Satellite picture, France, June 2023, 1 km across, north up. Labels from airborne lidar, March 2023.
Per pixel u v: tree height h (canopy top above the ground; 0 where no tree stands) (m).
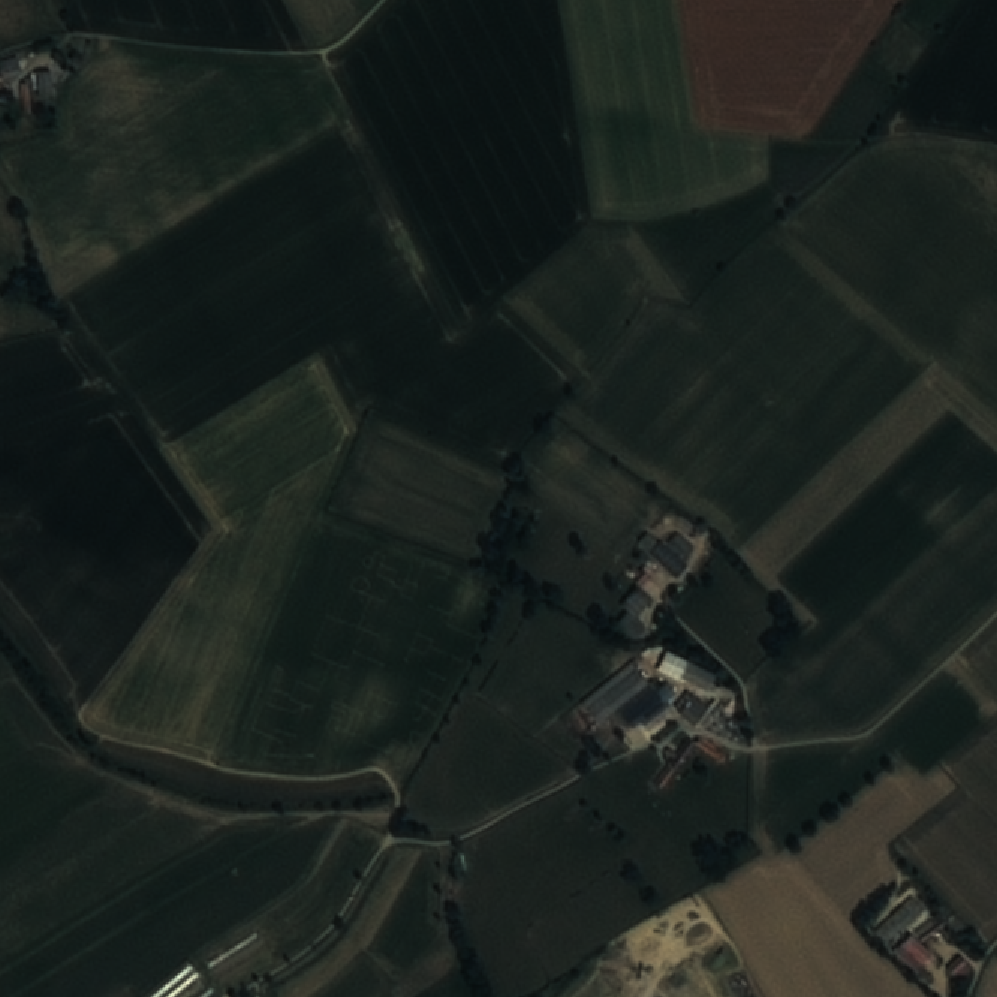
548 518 0
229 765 0
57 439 0
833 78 0
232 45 0
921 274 0
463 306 0
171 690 0
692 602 0
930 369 0
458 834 0
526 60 0
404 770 0
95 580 0
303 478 0
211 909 0
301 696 0
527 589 19
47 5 0
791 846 11
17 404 0
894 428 0
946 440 0
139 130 0
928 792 0
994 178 0
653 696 0
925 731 0
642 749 0
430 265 0
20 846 0
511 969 0
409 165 0
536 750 0
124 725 0
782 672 0
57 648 0
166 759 0
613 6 0
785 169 0
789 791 0
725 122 0
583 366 0
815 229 0
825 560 0
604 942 0
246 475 0
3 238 0
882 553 0
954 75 0
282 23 0
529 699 0
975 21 0
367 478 0
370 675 0
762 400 0
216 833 0
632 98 0
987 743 0
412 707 0
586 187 0
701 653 13
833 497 0
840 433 0
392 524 0
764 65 0
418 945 0
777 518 0
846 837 0
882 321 0
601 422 0
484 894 0
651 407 0
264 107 0
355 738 0
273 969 0
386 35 0
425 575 0
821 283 0
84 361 0
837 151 0
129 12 0
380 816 0
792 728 0
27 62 0
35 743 0
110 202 0
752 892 0
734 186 0
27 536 0
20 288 18
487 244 0
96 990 0
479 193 0
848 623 0
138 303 0
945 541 0
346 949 0
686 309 0
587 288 0
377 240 0
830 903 0
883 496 0
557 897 0
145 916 0
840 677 0
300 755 0
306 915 0
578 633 0
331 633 0
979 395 0
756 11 0
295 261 0
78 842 0
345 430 0
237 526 0
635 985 0
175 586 0
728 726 0
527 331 0
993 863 0
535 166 0
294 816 0
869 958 0
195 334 0
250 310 0
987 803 0
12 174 0
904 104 0
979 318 0
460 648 0
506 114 0
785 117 0
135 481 0
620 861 0
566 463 0
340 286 0
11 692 0
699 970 0
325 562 0
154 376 0
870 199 0
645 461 0
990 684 0
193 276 0
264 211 0
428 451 0
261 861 0
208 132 0
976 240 0
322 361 0
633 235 0
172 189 0
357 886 0
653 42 0
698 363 0
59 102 0
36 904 0
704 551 0
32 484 0
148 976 0
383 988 0
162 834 0
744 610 0
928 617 0
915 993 0
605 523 0
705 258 0
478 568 13
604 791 0
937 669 0
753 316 0
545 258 0
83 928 0
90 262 0
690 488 0
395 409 0
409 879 0
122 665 0
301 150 0
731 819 0
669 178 0
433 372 0
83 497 0
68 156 0
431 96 0
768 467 0
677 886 0
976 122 0
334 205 0
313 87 0
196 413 0
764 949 0
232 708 0
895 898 0
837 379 0
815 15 0
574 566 0
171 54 0
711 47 0
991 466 0
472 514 0
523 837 0
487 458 0
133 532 0
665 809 0
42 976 0
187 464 0
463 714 0
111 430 0
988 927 0
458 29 0
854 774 0
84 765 0
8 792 0
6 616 0
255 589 0
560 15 0
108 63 0
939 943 0
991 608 0
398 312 0
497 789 0
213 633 0
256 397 0
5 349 0
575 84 0
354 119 0
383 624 0
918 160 0
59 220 0
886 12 0
